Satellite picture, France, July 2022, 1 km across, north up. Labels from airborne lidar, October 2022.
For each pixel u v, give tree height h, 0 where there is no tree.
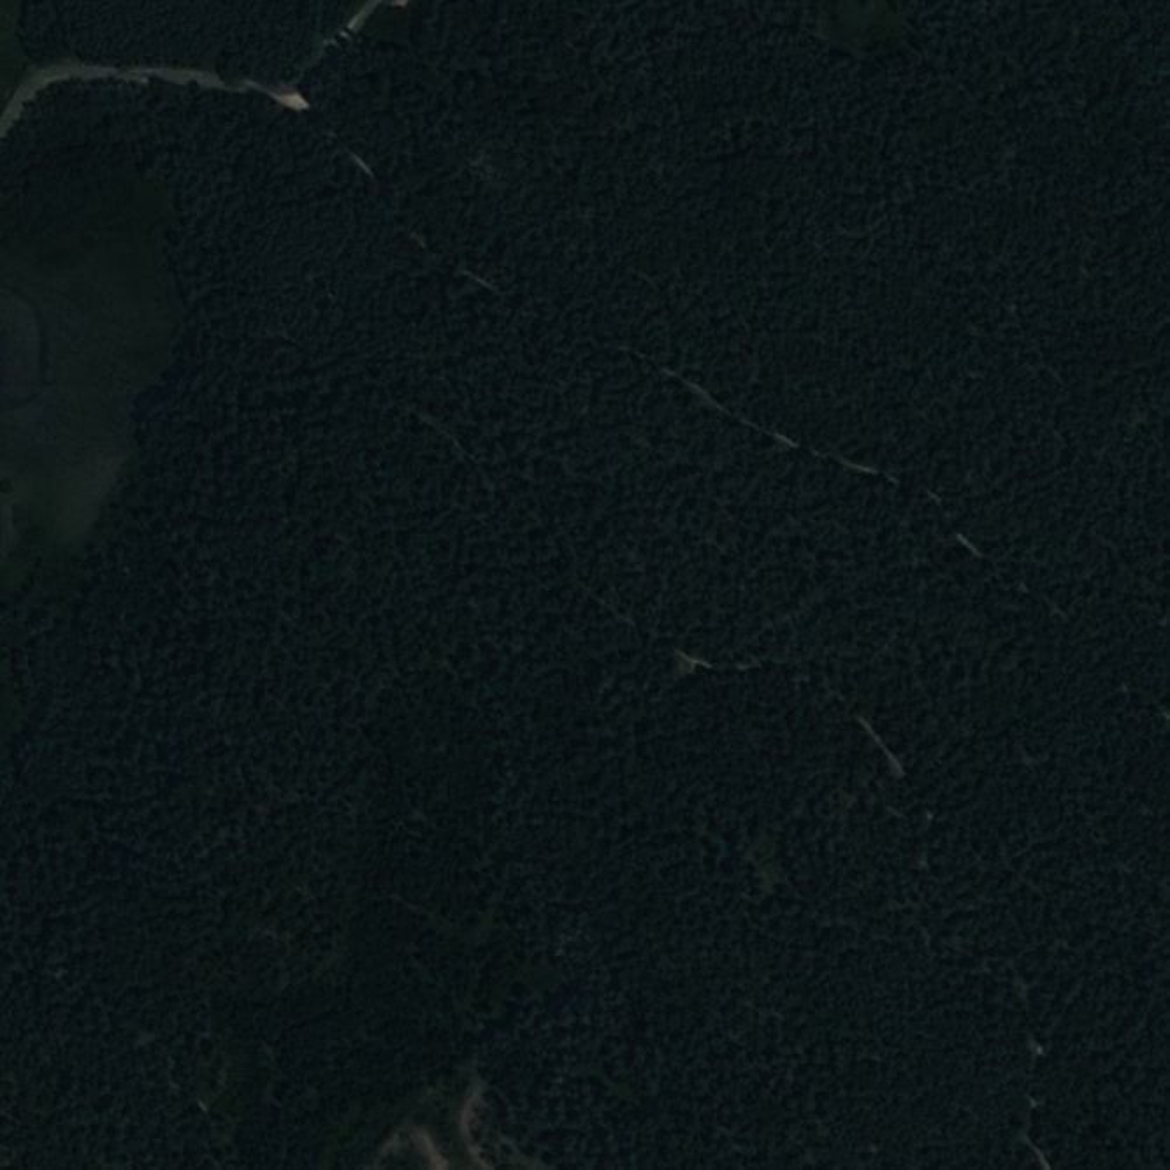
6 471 0
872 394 22
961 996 18
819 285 21
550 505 13
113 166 14
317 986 12
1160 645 27
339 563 12
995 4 21
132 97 23
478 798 15
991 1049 20
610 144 16
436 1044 17
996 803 13
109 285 0
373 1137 5
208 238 23
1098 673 21
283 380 37
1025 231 19
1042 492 25
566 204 25
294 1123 20
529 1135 28
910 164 15
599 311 14
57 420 0
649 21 29
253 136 30
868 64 12
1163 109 15
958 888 27
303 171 28
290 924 15
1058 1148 22
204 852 30
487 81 33
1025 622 18
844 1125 21
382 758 9
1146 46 21
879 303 19
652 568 8
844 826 21
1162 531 27
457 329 7
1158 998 31
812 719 17
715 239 20
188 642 16
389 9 7
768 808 24
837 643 17
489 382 16
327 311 34
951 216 15
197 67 17
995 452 25
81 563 12
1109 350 27
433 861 21
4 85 0
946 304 22
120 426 0
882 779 13
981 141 17
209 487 31
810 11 22
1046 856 22
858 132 27
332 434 24
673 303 24
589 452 28
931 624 11
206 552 26
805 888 28
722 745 26
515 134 17
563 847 17
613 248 20
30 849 15
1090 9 20
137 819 23
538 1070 24
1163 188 17
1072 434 30
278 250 20
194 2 30
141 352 0
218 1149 6
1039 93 29
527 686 17
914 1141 20
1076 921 29
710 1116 15
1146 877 19
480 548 22
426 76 20
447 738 11
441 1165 0
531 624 24
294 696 8
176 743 16
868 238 9
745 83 14
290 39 28
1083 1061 20
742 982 16
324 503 23
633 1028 11
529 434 26
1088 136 21
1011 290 29
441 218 25
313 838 32
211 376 31
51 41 20
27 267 0
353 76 27
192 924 26
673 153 23
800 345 19
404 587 23
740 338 22
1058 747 13
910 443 21
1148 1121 23
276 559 22
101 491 0
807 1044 18
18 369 0
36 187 12
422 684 17
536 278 19
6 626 9
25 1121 20
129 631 10
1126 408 22
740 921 9
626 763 27
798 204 9
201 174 36
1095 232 20
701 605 16
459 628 23
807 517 18
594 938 31
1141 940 21
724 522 22
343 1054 14
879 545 17
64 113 20
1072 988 26
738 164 23
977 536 13
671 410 25
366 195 25
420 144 25
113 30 27
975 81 17
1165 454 30
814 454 26
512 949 7
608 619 33
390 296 32
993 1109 19
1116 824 26
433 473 17
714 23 25
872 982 23
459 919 10
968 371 16
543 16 15
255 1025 18
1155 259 15
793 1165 21
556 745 22
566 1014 36
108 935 23
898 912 7
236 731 14
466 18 28
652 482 21
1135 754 20
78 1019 19
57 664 23
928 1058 18
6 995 22
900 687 16
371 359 12
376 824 11
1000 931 28
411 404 18
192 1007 27
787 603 6
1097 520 30
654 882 13
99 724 23
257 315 28
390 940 15
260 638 15
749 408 17
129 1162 27
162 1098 15
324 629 24
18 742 10
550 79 22
